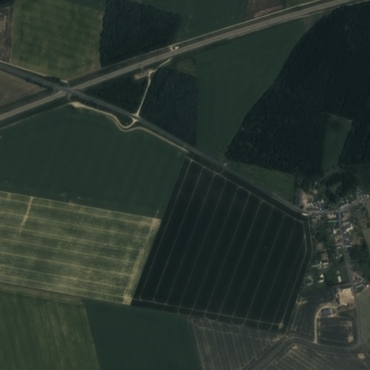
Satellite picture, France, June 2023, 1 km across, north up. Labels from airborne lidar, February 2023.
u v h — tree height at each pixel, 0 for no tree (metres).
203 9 0
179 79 21
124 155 0
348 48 16
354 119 16
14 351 0
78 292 0
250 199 0
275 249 0
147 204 0
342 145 0
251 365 0
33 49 0
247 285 0
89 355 0
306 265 0
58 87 0
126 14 19
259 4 0
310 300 0
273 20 0
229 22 0
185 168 0
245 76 0
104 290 0
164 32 11
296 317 0
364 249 7
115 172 0
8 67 0
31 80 10
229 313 0
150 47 13
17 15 0
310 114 8
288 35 0
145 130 0
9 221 0
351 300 0
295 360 0
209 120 0
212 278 0
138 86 8
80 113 0
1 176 0
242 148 9
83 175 0
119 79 0
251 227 0
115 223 0
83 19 0
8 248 0
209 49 0
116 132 0
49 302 0
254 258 0
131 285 0
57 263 0
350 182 13
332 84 17
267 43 0
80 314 0
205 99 0
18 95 0
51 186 0
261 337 0
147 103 16
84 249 0
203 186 0
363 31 10
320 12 0
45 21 0
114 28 19
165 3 0
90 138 0
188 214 0
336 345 0
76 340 0
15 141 0
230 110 0
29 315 0
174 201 0
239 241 0
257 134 15
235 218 0
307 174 16
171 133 10
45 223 0
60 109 0
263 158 16
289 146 18
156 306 0
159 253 0
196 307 0
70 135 0
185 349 0
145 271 0
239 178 0
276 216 0
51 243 0
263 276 0
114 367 0
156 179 0
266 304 0
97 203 0
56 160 0
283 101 12
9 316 0
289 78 14
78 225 0
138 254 0
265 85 0
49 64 0
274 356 0
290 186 0
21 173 0
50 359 0
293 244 0
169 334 0
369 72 17
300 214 6
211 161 0
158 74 14
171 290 0
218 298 0
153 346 0
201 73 0
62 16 0
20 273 0
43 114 0
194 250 0
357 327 0
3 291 0
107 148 0
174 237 0
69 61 0
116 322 0
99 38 0
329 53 13
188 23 0
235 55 0
